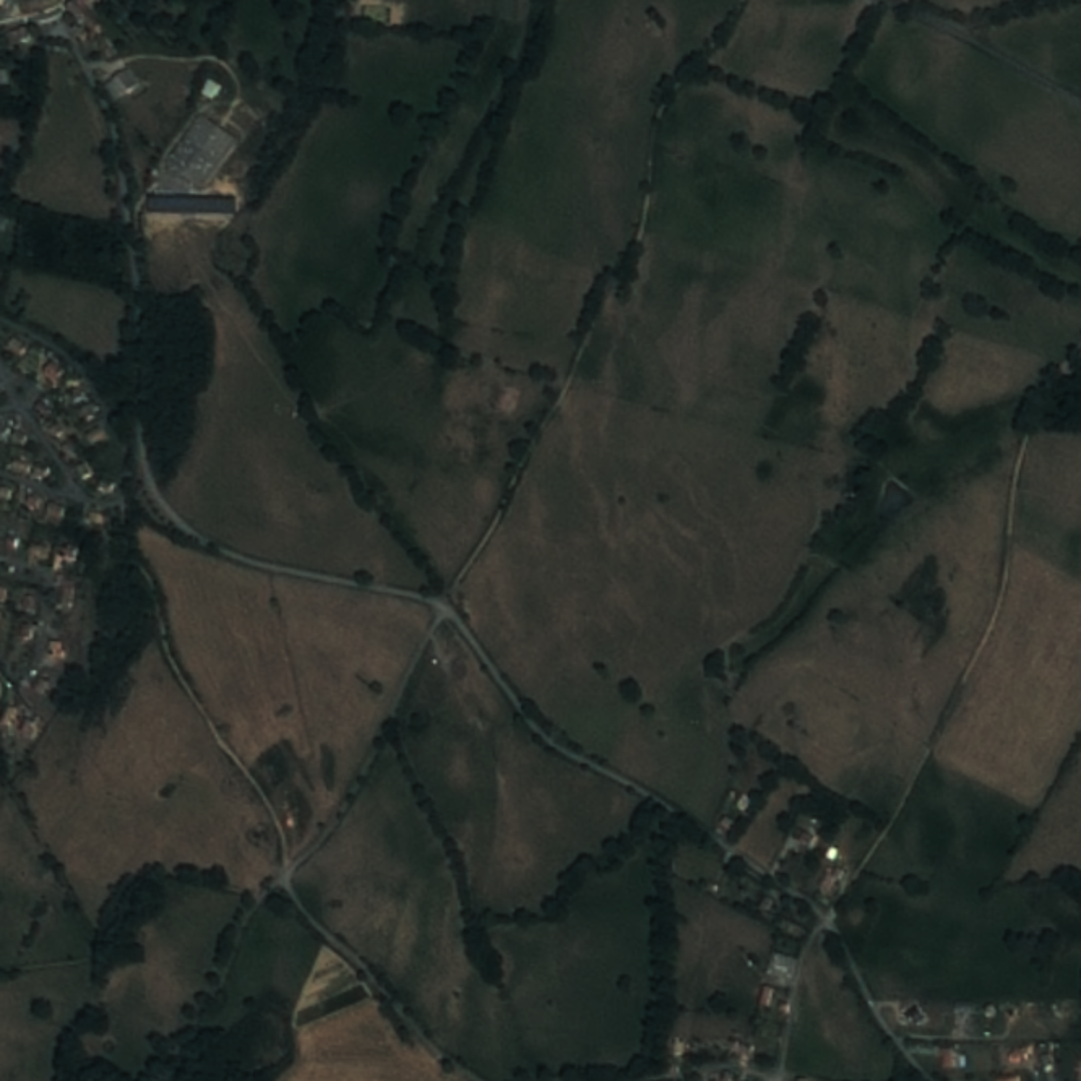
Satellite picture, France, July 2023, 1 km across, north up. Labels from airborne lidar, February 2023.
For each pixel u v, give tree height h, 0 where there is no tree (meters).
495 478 0
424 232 7
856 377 0
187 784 0
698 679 0
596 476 0
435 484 0
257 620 0
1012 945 15
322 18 16
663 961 17
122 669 7
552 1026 0
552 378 16
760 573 0
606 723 0
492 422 0
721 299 0
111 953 19
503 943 0
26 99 9
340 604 0
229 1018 0
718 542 0
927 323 0
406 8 0
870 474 17
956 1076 0
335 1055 0
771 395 0
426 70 0
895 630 0
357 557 0
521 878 0
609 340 0
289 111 11
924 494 0
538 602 0
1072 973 0
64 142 0
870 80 0
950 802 0
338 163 0
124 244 9
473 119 0
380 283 0
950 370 0
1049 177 0
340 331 0
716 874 0
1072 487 0
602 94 0
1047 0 13
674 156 0
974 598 0
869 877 8
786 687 0
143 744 0
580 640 0
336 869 0
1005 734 0
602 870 9
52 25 0
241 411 0
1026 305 0
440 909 0
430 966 0
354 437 0
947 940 0
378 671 0
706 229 0
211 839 0
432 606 0
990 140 0
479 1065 0
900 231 0
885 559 0
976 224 0
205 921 0
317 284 0
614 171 0
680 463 0
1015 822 0
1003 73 0
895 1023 0
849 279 0
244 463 0
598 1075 19
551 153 0
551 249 0
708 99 0
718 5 0
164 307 10
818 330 13
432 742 0
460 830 0
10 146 0
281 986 0
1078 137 0
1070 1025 0
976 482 0
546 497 0
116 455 0
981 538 0
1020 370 0
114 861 0
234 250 0
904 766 0
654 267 0
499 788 0
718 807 0
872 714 0
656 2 0
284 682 0
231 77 0
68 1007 0
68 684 13
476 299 0
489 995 0
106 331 0
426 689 0
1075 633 0
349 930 0
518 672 0
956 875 0
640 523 0
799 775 17
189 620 0
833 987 0
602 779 0
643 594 0
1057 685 0
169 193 0
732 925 0
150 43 0
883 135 0
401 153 0
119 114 13
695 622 0
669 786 0
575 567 0
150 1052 0
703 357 0
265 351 0
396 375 0
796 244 0
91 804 0
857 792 0
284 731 0
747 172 0
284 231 0
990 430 0
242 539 0
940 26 0
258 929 0
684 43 0
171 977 0
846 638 0
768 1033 0
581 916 0
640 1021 0
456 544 0
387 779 0
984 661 0
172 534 9
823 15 0
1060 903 0
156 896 21
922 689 0
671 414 0
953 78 0
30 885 0
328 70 13
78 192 0
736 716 0
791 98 14
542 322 0
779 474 0
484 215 0
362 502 11
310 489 0
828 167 0
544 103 0
